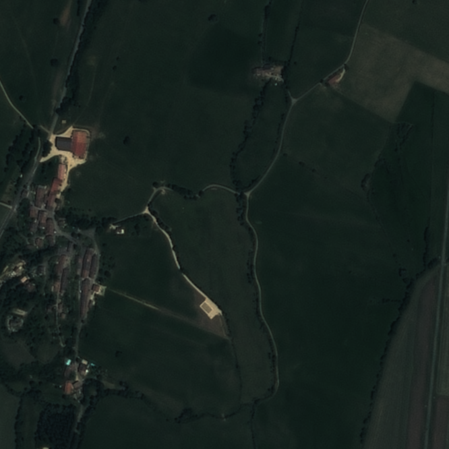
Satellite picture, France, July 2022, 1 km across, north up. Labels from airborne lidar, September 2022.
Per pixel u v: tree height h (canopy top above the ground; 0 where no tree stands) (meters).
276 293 0
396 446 0
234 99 0
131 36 0
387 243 0
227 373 0
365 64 0
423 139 0
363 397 0
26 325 9
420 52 0
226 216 0
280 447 0
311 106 0
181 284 0
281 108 0
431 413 0
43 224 0
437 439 0
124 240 0
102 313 0
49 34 0
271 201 0
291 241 0
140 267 0
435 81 0
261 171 0
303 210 0
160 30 0
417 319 0
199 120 0
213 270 0
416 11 0
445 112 0
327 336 0
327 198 0
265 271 0
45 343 0
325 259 0
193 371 0
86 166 0
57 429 29
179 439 0
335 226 0
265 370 0
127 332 0
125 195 0
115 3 0
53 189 0
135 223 12
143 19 0
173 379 0
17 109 0
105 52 0
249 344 0
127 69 0
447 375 0
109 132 0
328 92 0
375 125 0
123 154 0
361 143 0
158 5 0
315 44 0
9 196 0
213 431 0
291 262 0
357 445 0
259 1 0
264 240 0
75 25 0
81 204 0
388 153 0
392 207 0
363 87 0
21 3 0
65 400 14
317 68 0
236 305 0
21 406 17
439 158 0
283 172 0
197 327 0
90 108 0
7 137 0
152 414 0
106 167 0
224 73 0
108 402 0
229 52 0
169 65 0
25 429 0
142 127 0
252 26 0
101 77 0
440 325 0
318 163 0
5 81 0
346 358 0
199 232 0
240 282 0
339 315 0
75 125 0
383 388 0
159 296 0
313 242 0
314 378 0
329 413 0
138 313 0
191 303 0
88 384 13
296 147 0
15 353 0
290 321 0
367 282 0
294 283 0
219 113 0
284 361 0
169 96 0
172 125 0
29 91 0
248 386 0
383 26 0
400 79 0
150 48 0
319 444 0
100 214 0
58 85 0
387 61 0
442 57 0
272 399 0
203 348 0
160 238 0
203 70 0
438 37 0
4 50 0
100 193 0
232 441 0
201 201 0
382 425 0
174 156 0
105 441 0
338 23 0
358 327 0
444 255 0
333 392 0
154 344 0
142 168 0
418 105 0
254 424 0
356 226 0
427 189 0
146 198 0
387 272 0
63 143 0
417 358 0
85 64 0
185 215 0
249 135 16
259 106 20
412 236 0
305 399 0
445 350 0
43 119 0
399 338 0
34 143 13
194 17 0
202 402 0
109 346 0
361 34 0
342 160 0
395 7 0
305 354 0
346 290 0
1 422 0
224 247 0
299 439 0
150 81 0
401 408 0
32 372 9
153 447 0
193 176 0
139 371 0
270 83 8
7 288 15
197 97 0
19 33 0
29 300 13
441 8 0
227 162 0
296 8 0
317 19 0
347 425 0
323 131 0
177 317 0
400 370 0
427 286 0
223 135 0
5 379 18
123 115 0
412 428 0
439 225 0
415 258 0
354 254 0
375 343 0
